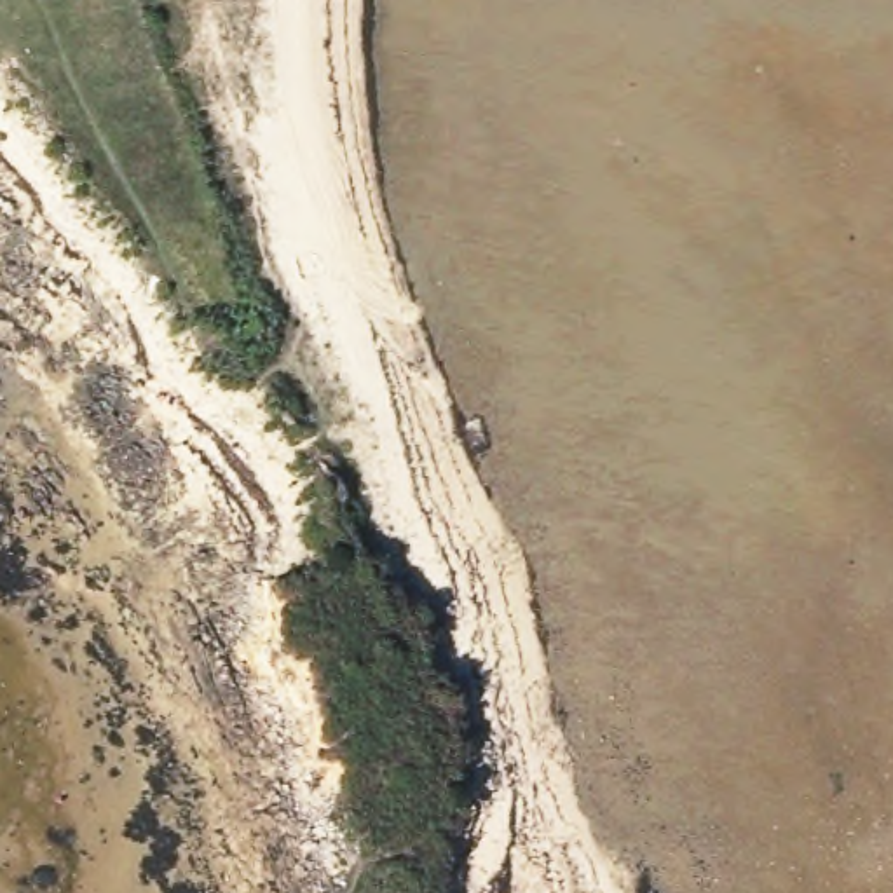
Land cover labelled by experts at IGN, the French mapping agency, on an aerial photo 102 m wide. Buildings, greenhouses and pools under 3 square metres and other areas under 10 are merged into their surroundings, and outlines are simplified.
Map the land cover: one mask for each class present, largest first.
<instances>
[{"label":"bare soil","instance_id":"1","mask_svg":"<svg viewBox=\"0 0 893 893\"><path fill-rule=\"evenodd\" d=\"M185 17L192 24V45L181 56V63L192 77H202L206 112L223 140V178L241 174L244 181V195L255 216V241L262 251V272L283 290L293 314L300 317L279 359L286 373H293L310 394L317 429L300 436L290 412H265V394L255 387L223 391L216 380L195 373V331H171V307L157 297V276L122 258V244L115 241L119 234L112 227H98L94 202L73 199V181H63L56 174L52 160L45 157L52 133L45 119V101L31 94L21 80H10V73L17 70V56L7 38H0V492H10L14 499L10 527L24 544V569L45 576L42 586L14 593V603L0 600V893H160L153 883H143L140 876V865L150 855V848L143 841L126 837V823L140 802L157 813L160 827L178 834V858L167 869L171 883H192L206 893H352V883L363 865L394 855L384 844L359 848V834L345 830L349 806L338 799L345 767L338 760V750L324 740V712L317 701L314 670L283 642V600L276 593L279 576L286 569L314 558V551L300 537L310 509L297 495L310 481L324 478L331 492L335 523L345 527L338 537L342 551L349 558L366 555L370 572L380 579L387 593V607L408 596L412 607L429 610L426 642L433 652L436 687L464 701L460 736L467 743V764L460 771V785L467 799L481 806V816L474 823L478 844L471 851L467 893H893V0H188Z\"/></svg>","mask_w":893,"mask_h":893},{"label":"brushwood","instance_id":"2","mask_svg":"<svg viewBox=\"0 0 893 893\"><path fill-rule=\"evenodd\" d=\"M164 77L178 94L188 133L202 140V167L216 195V206L227 209L220 241L234 283V303L195 307L199 324L192 331H220L227 345H237L241 370L251 380H258L262 366L279 359L300 317L293 314L283 290L262 272V251L255 241V216L244 195V181L241 174L223 178V140L206 112L202 77H192L181 63V56L192 45V24L185 17L188 0H143ZM290 412L300 436L317 429L310 394L293 373H286L276 377V384L265 394V412ZM310 509L300 537L314 551V558L286 569L279 576L276 593L283 600V642L314 670L317 701L324 712V740L338 750V760L345 767L338 799L349 806L345 830L359 834V848L384 844L394 855L363 865L352 883V893H467L471 851L478 844L474 823L481 816V806L467 799L460 785V771L467 764V743L460 736L464 701L436 687L433 652L426 642L429 610L412 607L408 596L387 607V593L380 579L370 572L366 555L349 558L342 551L338 537L345 527L335 523L331 492L324 478L310 481L297 495Z\"/></svg>","mask_w":893,"mask_h":893},{"label":"herbaceous vegetation","instance_id":"3","mask_svg":"<svg viewBox=\"0 0 893 893\"><path fill-rule=\"evenodd\" d=\"M0 38H7L17 56V70L10 73V80H21L31 94L45 101V119L52 133L45 157L52 160L56 174L63 181H73V199L94 202L98 227H112L119 234L115 241L122 244V258L157 276V297L171 307V331H192L199 324L195 307L234 303V283L220 241L227 209L216 206V195L202 167V140L188 133L178 94L164 77L143 0H0ZM195 373L216 380L223 391L255 387L265 394L276 384V377L286 373L279 359L262 366L258 380H251L241 370L237 345H227L220 331H195ZM14 499L10 492H0V600L14 603V593L42 586L45 576L24 569V544L10 527ZM126 837L143 841L150 848V855L140 865V876L143 883H153L160 893H206L192 883H171L167 869L178 858V834L160 827L157 813L140 802L126 823Z\"/></svg>","mask_w":893,"mask_h":893}]
</instances>
